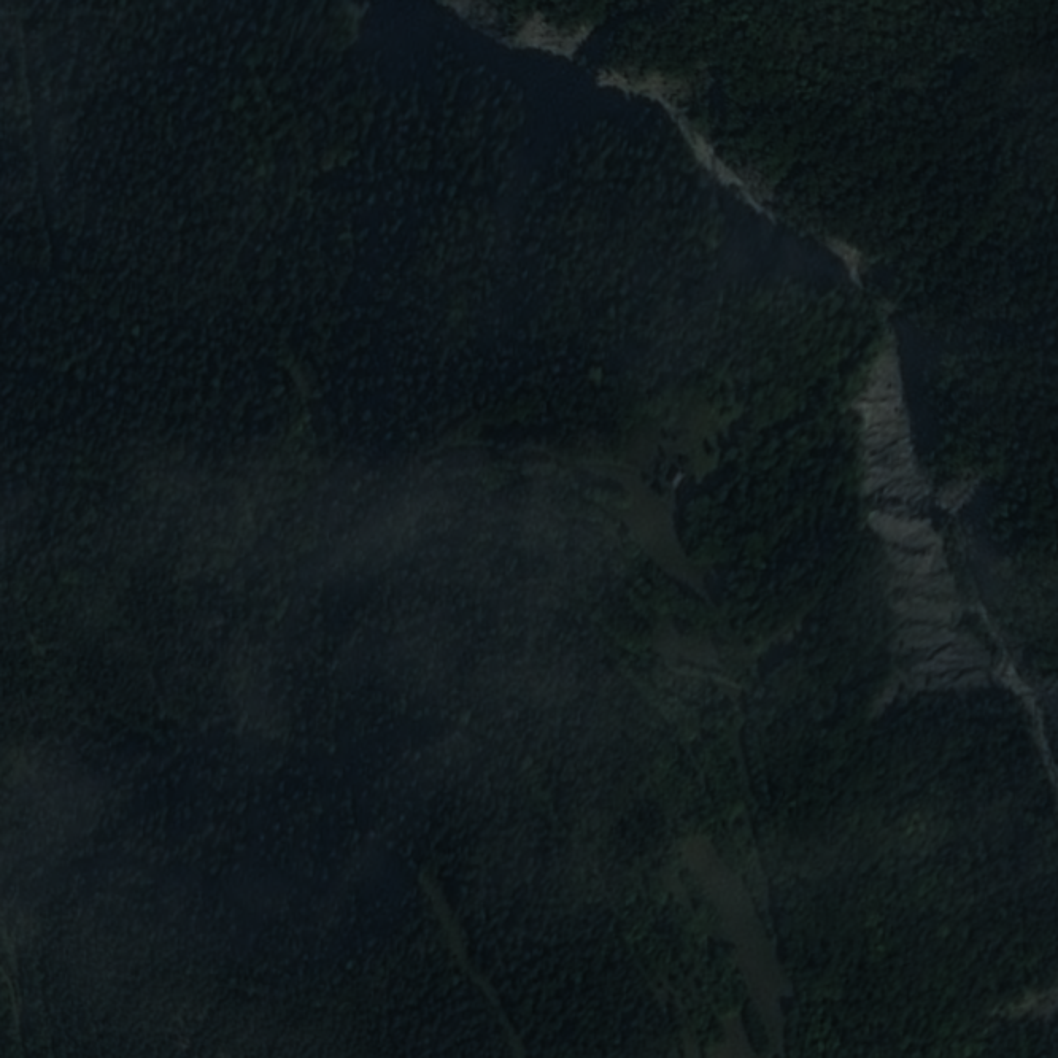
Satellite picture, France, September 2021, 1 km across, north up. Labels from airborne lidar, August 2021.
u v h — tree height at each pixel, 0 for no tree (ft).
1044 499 82
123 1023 62
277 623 73
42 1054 58
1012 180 59
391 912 62
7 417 90
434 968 77
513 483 59
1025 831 53
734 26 45
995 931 72
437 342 92
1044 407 76
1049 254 89
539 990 85
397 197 95
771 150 115
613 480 0
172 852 107
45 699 53
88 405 90
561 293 84
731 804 52
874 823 62
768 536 87
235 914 84
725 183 0
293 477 90
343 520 92
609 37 53
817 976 79
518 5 53
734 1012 31
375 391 68
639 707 74
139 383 97
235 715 60
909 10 37
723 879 0
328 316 83
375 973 72
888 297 141
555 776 64
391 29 26
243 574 53
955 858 82
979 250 50
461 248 101
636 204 88
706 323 96
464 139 73
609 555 37
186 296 96
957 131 90
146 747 71
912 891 74
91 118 94
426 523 92
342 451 82
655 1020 57
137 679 66
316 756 65
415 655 81
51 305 98
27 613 47
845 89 49
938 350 37
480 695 89
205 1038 47
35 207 92
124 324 72
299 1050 59
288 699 85
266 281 45
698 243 86
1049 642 100
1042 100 91
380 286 90
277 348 67
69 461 83
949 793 65
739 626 56
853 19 29
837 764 101
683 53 70
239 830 97
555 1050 70
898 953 91
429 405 98
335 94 76
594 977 80
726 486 78
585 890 55
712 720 45
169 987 54
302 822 95
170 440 70
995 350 100
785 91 69
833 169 81
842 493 78
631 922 33
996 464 67
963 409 97
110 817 104
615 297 70
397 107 71
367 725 76
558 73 20
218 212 58
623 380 117
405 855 76
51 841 79
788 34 39
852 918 88
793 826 75
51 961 75
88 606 62
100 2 58
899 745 87
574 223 92
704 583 0
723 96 116
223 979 66
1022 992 50
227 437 105
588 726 77
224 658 101
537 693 82
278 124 61
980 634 24
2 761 60
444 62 79
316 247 77
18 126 81
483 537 102
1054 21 85
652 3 30
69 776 85
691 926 37
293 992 62
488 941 106
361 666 72
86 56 89
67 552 38
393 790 105
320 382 140
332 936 52
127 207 106
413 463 92
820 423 56
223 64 73
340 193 74
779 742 97
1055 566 73
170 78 99
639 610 57
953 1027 64
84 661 64
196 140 121
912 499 0
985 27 91
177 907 83
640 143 107
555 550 70
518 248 75
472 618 78
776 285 100
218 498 50
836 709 85
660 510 0
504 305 73
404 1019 98
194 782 92
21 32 53
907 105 85
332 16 56
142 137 61
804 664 58
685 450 0
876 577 31
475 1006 87
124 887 87
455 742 78
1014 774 85
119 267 79
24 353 87
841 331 83
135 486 78
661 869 41
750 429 48
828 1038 92
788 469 66
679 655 0
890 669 53
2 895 43
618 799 73
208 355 73
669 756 35
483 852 83
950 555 26
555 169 69
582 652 79
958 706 27
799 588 89
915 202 84
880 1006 90
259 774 97
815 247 46
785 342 111
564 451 65
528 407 85
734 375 66
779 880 63
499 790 88
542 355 65
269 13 81
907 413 0
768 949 0
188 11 89
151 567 98
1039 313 52
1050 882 56
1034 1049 52
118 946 82
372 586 101
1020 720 46
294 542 78
